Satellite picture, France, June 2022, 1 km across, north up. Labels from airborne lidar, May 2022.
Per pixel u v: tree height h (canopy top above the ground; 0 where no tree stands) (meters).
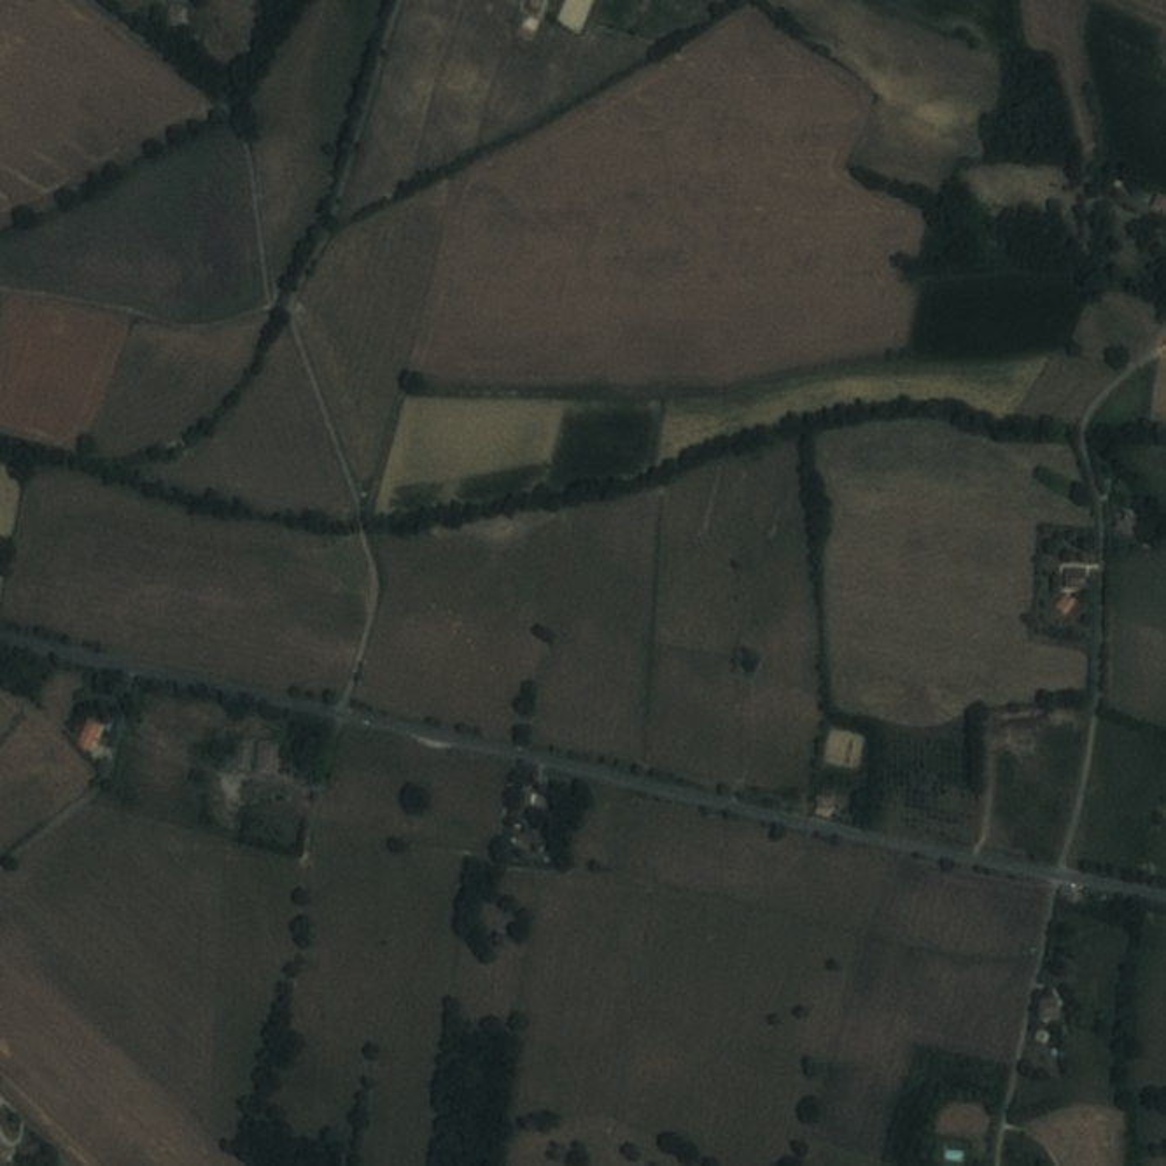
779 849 0
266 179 0
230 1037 0
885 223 0
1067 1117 0
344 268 0
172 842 0
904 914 0
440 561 0
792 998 0
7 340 0
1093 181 8
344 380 0
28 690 13
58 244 0
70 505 0
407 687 0
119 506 0
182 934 0
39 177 0
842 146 0
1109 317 0
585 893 0
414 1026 0
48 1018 0
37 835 0
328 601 0
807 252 0
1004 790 0
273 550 0
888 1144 6
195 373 0
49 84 0
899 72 0
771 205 0
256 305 0
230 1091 0
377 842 0
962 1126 0
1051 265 14
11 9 0
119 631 0
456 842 0
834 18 0
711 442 11
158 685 12
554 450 0
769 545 0
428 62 0
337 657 0
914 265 20
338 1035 0
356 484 0
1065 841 0
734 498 0
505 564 0
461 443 0
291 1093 0
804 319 0
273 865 0
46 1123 0
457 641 0
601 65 0
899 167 0
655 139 0
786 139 0
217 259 0
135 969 0
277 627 0
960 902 0
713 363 0
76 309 0
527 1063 0
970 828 0
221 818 0
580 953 0
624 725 0
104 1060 0
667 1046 0
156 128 0
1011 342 0
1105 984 0
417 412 0
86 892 0
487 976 0
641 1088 0
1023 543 0
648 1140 0
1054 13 0
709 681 0
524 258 0
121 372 0
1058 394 0
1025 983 0
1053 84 19
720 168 0
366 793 0
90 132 0
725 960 0
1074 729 0
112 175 14
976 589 0
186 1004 0
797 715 0
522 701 16
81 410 0
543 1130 18
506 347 0
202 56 17
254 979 0
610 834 0
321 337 0
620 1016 0
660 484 10
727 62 0
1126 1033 18
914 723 0
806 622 0
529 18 0
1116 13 0
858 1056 0
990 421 19
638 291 0
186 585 0
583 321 0
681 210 0
